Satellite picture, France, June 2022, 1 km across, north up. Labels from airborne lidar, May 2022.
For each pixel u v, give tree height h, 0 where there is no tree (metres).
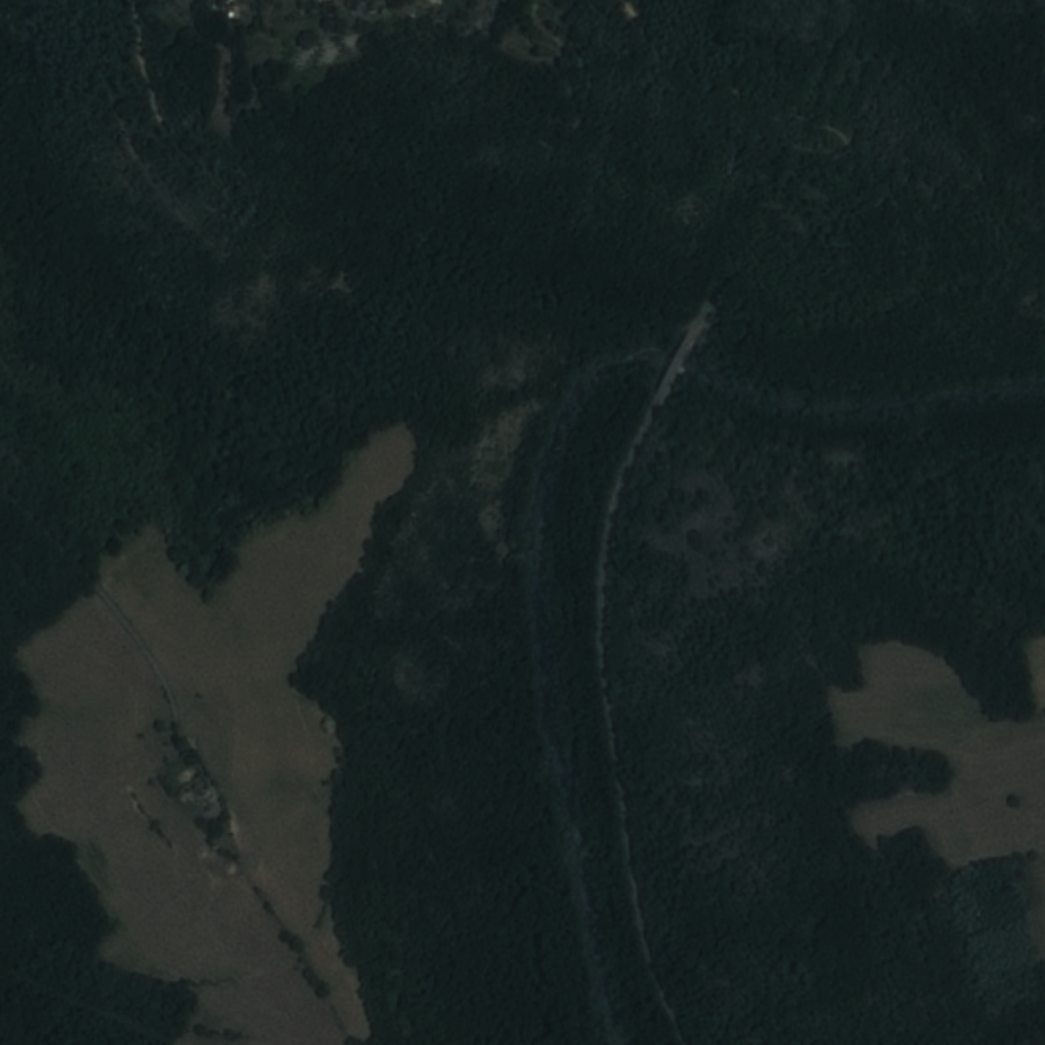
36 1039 16
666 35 27
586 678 19
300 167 16
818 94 7
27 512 11
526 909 23
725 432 18
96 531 11
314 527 0
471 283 28
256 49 0
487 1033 27
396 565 7
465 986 18
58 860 19
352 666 16
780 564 6
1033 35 14
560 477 19
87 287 23
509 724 23
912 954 14
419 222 22
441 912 8
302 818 0
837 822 11
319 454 18
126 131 9
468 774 11
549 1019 27
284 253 7
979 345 21
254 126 17
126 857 0
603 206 11
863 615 14
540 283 20
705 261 23
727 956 13
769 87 15
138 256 11
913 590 16
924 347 18
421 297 20
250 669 0
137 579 0
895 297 13
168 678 0
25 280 20
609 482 10
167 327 19
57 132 10
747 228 8
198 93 18
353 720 21
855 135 8
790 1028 17
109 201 10
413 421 14
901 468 13
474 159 9
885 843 15
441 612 17
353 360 8
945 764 10
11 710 13
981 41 11
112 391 13
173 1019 18
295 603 0
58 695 0
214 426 26
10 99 21
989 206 14
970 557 25
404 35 9
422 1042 22
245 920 0
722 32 21
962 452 17
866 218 18
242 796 0
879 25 10
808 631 14
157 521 7
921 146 17
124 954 0
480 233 28
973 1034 11
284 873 0
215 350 18
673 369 0
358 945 16
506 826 17
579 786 32
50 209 21
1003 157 11
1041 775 0
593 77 21
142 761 0
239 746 0
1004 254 12
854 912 17
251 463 26
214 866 0
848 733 0
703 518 0
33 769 14
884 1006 9
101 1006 18
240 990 0
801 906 18
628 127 15
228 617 0
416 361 10
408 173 21
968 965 12
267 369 23
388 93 18
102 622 0
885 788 18
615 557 14
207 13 13
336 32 13
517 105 18
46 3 26
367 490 0
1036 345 23
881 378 20
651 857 15
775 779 11
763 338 25
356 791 18
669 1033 18
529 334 12
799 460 16
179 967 0
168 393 8
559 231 14
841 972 11
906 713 0
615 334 21
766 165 17
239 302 7
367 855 21
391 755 16
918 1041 14
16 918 23
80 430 13
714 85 25
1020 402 15
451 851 13
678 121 15
